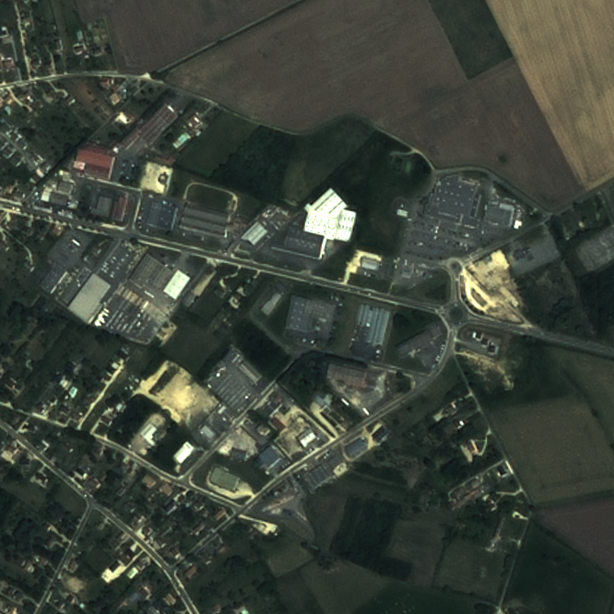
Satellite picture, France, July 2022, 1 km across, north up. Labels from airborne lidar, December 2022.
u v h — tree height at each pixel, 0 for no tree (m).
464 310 0
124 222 0
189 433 0
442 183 0
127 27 0
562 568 0
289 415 0
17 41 0
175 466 0
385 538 12
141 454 0
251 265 0
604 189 0
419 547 0
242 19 0
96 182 0
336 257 0
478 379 0
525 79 0
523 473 0
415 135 0
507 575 6
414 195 0
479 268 0
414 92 0
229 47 0
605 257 0
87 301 0
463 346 0
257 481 0
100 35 0
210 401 0
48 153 0
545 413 0
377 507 11
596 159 0
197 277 0
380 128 0
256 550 9
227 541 7
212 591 13
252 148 6
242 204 0
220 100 0
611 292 16
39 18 6
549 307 0
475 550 0
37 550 15
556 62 0
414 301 0
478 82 0
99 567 0
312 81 0
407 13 0
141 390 0
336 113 0
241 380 0
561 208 0
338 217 0
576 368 0
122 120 0
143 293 0
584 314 0
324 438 0
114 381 0
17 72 0
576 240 11
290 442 0
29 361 0
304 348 0
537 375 0
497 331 0
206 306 0
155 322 0
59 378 0
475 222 0
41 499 0
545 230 0
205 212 0
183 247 0
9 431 0
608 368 0
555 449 0
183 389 0
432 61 0
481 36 0
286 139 7
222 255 0
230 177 8
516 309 0
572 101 0
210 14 0
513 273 0
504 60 0
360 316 0
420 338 0
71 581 0
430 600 0
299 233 0
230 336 0
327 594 0
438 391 0
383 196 0
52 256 0
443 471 8
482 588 0
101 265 0
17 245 6
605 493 0
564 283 11
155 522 8
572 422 0
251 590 0
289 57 0
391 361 0
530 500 0
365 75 0
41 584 8
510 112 0
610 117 0
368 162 0
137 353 0
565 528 0
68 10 0
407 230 0
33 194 0
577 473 0
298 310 0
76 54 0
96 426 0
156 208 0
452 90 0
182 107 0
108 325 0
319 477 0
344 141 0
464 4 0
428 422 6
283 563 0
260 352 13
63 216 0
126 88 0
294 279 0
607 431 0
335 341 11
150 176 0
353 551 7
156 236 0
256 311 0
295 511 0
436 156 0
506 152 0
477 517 10
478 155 0
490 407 0
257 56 0
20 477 12
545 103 0
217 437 0
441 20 0
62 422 8
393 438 0
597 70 0
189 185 0
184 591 0
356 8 0
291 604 0
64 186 0
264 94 0
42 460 0
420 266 0
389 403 0
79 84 0
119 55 0
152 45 0
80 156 0
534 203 0
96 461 13
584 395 0
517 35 0
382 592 0
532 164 0
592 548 0
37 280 0
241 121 0
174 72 0
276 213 0
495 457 10
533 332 0
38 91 6
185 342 0
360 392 0
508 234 0
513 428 0
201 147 0
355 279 0
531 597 0
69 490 0
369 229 0
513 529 0
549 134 0
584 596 0
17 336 11
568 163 0
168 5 0
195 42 0
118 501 8
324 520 0
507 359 0
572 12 0
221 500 0
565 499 0
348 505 6
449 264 0
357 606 0
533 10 0
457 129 0
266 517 0
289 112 0
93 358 0
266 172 7
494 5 0
